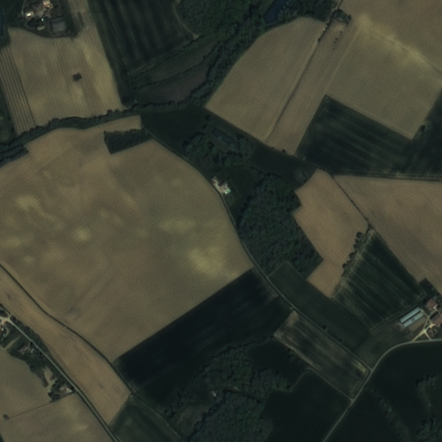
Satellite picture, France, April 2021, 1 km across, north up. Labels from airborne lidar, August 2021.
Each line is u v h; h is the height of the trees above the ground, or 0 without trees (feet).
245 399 53
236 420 70
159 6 0
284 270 0
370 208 0
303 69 0
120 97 0
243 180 0
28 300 0
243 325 0
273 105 0
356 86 0
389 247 0
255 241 49
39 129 43
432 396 0
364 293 0
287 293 0
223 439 77
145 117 0
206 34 36
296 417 0
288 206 33
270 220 59
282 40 0
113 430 0
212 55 27
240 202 0
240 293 0
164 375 0
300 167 0
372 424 0
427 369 0
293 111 0
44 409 0
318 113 0
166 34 0
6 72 0
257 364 0
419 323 0
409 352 0
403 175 0
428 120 0
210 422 75
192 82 0
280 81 0
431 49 0
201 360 0
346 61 0
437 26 0
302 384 0
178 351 0
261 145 0
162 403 0
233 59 55
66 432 0
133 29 0
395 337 0
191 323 0
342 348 0
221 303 0
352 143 0
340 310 0
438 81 0
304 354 0
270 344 0
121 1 0
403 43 0
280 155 0
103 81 0
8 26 0
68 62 0
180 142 0
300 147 0
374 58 0
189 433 0
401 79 0
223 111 0
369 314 0
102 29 0
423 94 0
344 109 0
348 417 0
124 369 0
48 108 0
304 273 40
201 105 19
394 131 0
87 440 0
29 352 0
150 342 0
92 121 29
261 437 49
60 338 0
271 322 0
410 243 0
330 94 0
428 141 0
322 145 0
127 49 0
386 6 0
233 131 0
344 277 0
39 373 0
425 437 46
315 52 0
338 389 0
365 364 0
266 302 0
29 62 0
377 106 0
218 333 0
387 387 0
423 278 0
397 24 0
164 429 0
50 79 0
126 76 0
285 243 69
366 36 0
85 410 0
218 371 21
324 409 0
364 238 41
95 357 0
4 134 0
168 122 0
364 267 0
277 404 0
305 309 0
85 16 0
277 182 55
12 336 24
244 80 0
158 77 0
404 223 0
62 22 0
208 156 23
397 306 0
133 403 0
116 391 0
